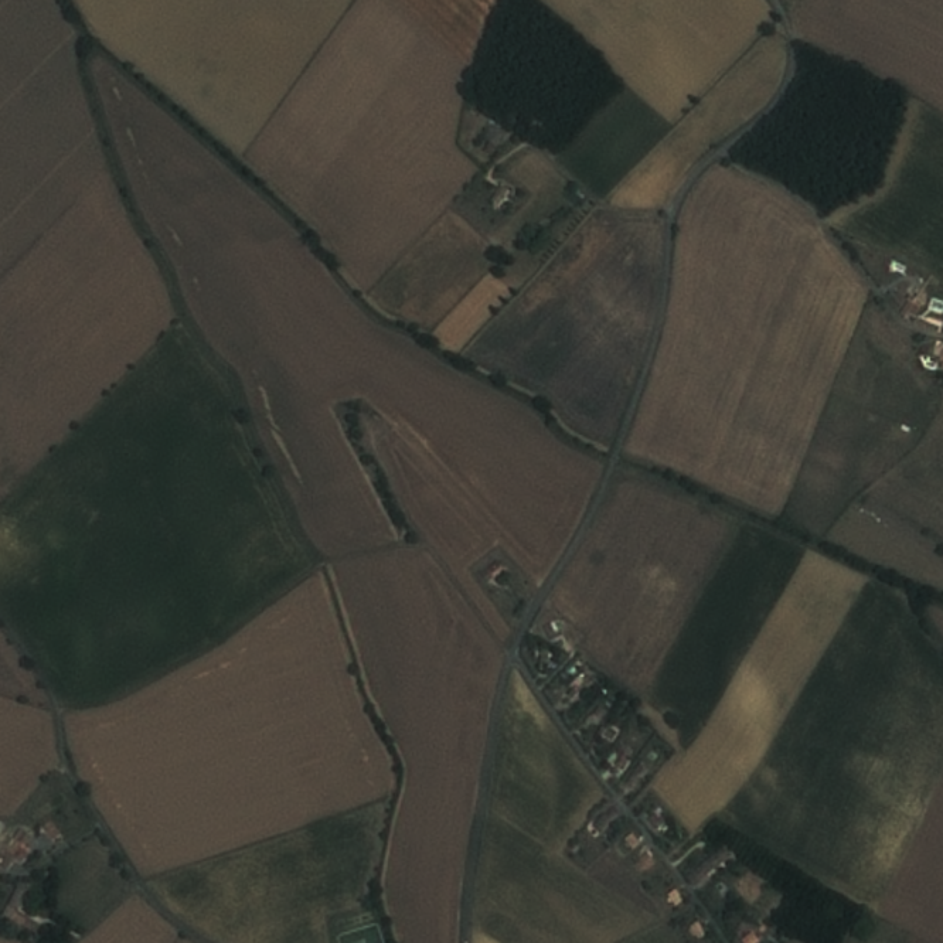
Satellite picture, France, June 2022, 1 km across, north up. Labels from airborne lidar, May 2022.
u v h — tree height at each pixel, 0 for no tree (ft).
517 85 51
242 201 0
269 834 0
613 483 0
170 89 0
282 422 0
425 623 0
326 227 0
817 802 0
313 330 0
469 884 0
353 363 0
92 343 0
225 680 0
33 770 0
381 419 0
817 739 0
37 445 0
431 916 0
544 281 0
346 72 0
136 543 0
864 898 0
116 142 0
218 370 0
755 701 0
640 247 0
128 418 0
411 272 0
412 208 0
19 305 0
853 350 0
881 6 0
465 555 0
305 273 0
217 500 0
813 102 61
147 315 0
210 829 0
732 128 0
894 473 0
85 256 0
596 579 0
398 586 0
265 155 0
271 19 0
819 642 0
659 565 0
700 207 0
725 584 0
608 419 0
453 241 0
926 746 0
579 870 0
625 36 0
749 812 0
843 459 0
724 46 0
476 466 0
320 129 0
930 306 0
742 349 0
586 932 0
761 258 0
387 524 0
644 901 0
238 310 0
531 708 0
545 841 0
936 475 0
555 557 0
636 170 0
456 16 0
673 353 0
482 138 19
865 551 0
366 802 0
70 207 0
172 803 0
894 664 0
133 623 0
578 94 53
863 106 55
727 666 0
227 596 0
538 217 0
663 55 0
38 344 0
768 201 0
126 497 0
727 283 0
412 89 0
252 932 0
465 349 0
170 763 0
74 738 0
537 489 0
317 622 0
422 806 0
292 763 0
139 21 0
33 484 0
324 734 0
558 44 65
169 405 0
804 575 0
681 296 0
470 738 0
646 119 0
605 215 0
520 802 0
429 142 0
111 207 0
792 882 37
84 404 0
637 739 0
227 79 0
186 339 0
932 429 0
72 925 54
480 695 0
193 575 0
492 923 0
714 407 0
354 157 0
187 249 0
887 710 0
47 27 0
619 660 0
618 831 35
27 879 32
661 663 0
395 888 0
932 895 0
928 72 0
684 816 0
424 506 0
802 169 60
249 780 0
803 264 0
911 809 0
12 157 0
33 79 0
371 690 0
